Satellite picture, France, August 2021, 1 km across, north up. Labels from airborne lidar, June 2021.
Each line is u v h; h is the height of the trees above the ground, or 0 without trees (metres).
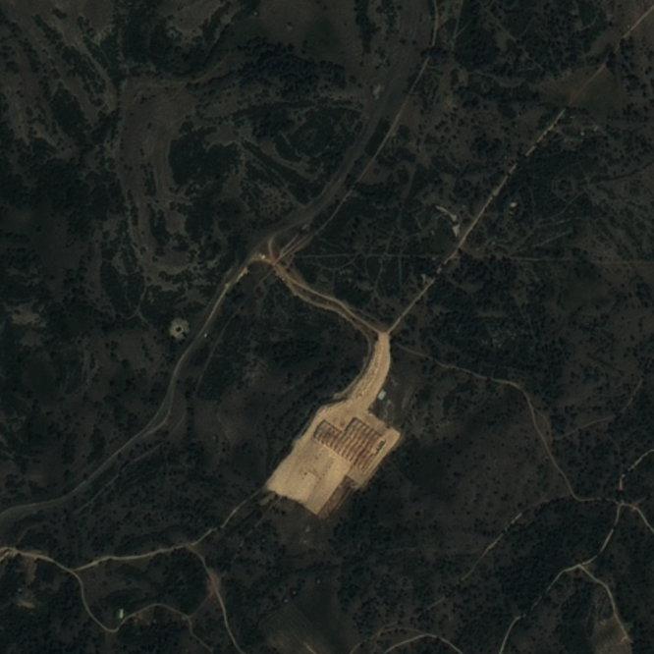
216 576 0
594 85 0
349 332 0
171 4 0
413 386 0
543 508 7
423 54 8
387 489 7
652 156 0
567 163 0
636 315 0
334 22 0
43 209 0
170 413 0
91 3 0
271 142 0
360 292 9
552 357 9
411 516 0
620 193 0
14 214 0
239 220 0
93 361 0
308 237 0
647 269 0
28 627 8
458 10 0
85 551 0
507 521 0
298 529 0
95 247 0
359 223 12
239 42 0
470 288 0
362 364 0
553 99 0
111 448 0
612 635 0
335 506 0
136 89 0
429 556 0
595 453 7
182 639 0
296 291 0
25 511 0
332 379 0
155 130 0
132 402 0
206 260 0
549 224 0
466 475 0
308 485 0
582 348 0
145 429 0
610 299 0
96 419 0
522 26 0
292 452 0
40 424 0
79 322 0
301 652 0
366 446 0
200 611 0
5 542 0
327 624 0
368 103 0
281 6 0
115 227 0
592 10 0
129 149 0
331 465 0
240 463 0
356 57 0
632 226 0
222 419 0
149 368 0
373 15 0
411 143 0
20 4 0
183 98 0
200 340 0
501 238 0
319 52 0
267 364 0
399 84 0
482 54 8
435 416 0
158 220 6
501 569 7
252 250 0
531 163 6
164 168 0
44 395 0
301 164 0
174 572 8
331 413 0
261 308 0
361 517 9
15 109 0
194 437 0
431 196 0
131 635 6
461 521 0
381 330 0
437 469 0
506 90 6
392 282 0
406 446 0
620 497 12
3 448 0
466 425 0
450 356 6
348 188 7
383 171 0
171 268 0
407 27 0
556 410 8
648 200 0
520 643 0
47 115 0
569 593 0
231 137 0
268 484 0
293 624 0
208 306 0
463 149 0
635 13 0
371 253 0
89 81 0
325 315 0
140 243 0
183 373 0
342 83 7
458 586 6
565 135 0
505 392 0
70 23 0
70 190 9
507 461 0
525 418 0
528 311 7
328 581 0
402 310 0
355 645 0
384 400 0
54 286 0
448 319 8
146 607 0
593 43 0
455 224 0
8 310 0
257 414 0
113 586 0
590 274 0
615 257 0
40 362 0
